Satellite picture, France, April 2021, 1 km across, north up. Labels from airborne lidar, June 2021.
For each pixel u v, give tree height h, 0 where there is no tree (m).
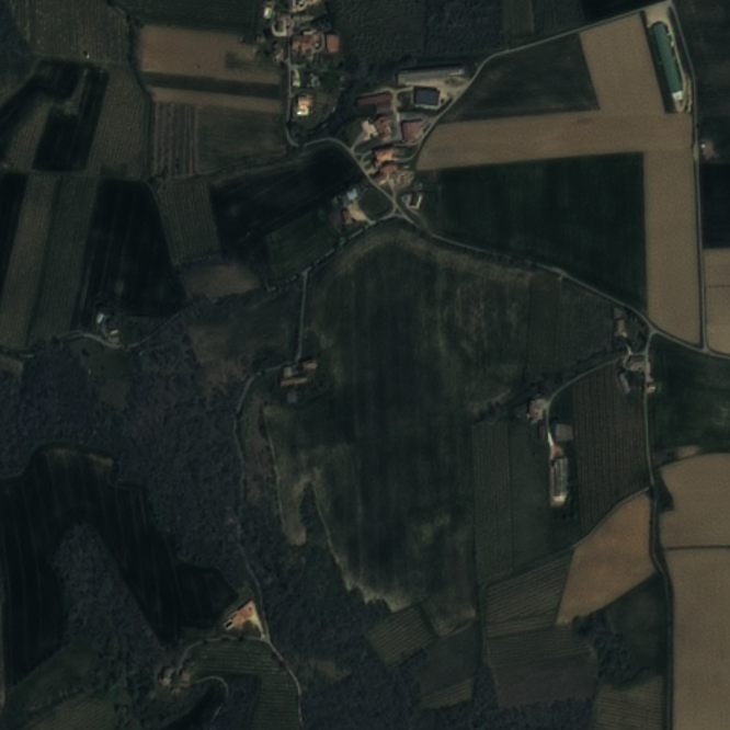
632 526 0
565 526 0
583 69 0
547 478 0
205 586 0
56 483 0
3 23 15
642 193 0
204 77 0
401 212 0
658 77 0
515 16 0
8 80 11
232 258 18
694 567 0
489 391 0
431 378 0
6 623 0
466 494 0
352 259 0
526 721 14
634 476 0
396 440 0
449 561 0
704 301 0
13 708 9
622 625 0
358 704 22
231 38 0
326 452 0
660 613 0
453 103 0
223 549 17
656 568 0
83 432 12
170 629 0
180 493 18
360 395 0
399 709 18
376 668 15
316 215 0
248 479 10
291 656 8
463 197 0
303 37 0
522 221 0
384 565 0
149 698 13
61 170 0
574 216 0
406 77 0
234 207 0
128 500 0
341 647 10
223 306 12
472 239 0
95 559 15
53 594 0
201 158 0
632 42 0
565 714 14
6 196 0
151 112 0
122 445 17
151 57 0
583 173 0
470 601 0
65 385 18
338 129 12
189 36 0
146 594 0
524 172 0
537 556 0
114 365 0
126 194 0
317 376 13
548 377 10
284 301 0
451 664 0
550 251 0
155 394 18
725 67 0
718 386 0
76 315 0
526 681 0
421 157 0
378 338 0
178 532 14
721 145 0
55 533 0
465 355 0
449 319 0
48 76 0
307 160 0
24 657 0
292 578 15
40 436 15
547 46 0
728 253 0
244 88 0
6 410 19
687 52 0
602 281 0
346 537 0
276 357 0
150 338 16
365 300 0
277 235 0
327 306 0
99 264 0
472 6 7
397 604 0
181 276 13
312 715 14
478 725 14
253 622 0
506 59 0
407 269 0
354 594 13
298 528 0
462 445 0
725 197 0
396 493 0
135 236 0
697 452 0
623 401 0
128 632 23
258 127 0
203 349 0
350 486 0
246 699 14
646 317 0
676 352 0
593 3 0
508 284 0
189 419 18
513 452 0
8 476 8
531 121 0
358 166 0
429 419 0
